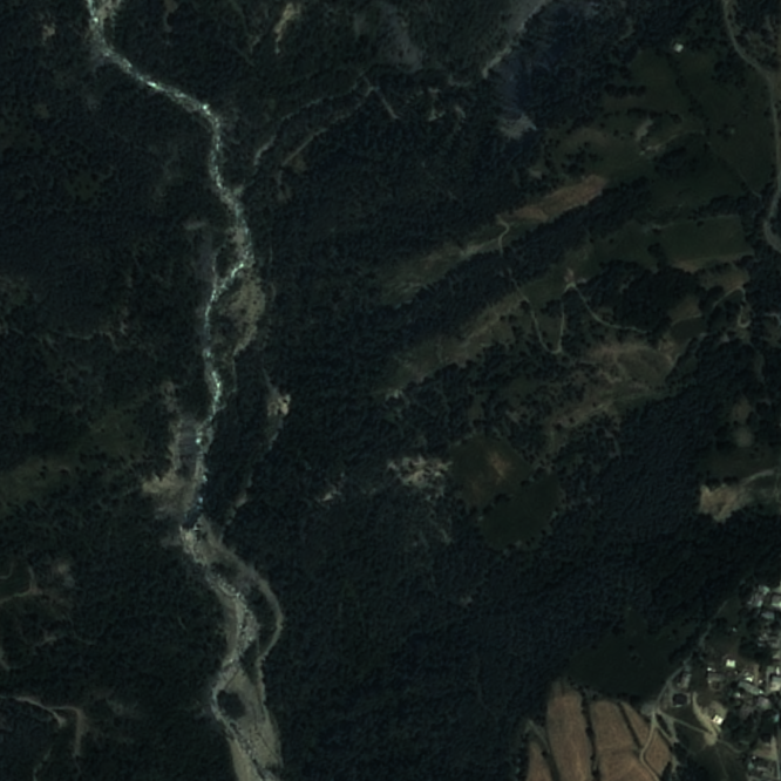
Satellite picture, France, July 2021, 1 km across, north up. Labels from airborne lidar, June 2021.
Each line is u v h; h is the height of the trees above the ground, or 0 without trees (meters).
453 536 12
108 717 9
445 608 12
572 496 7
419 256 17
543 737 0
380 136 6
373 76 8
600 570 17
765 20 7
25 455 17
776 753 0
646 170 0
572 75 18
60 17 12
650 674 0
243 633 0
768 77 0
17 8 15
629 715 0
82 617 13
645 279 16
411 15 11
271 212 20
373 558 7
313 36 17
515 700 12
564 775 0
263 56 11
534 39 8
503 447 0
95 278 25
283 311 17
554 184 8
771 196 12
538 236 12
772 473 0
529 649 8
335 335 10
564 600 10
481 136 12
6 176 15
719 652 0
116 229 20
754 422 14
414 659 13
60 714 8
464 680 17
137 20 9
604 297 13
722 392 13
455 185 24
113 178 11
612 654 0
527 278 13
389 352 17
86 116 19
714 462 0
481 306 14
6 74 7
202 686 9
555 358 6
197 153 10
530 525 0
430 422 15
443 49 19
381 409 23
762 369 0
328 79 14
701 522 17
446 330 13
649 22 17
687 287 17
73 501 13
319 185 27
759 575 17
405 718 22
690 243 0
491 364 15
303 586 15
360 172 23
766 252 12
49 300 19
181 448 0
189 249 16
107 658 14
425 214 18
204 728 8
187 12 16
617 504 13
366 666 12
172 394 12
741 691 12
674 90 0
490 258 18
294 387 8
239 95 13
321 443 9
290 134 6
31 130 9
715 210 10
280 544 14
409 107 24
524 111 12
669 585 18
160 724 10
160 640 30
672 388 9
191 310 15
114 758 18
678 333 0
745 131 0
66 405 17
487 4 8
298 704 11
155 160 17
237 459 14
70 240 22
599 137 0
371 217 14
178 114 8
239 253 0
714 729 0
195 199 16
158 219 18
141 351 21
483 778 14
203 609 23
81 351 19
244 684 0
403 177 23
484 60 14
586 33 18
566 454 8
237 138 8
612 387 0
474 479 0
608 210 10
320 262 22
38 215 12
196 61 24
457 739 20
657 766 0
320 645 15
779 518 12
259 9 18
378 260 18
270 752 0
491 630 12
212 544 0
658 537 21
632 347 0
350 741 23
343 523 19
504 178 19
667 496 12
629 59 14
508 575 13
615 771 0
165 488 0
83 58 10
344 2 7
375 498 11
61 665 14
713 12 12
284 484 21
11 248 22
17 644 16
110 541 10
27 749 19
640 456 12
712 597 18
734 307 16
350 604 13
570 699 0
